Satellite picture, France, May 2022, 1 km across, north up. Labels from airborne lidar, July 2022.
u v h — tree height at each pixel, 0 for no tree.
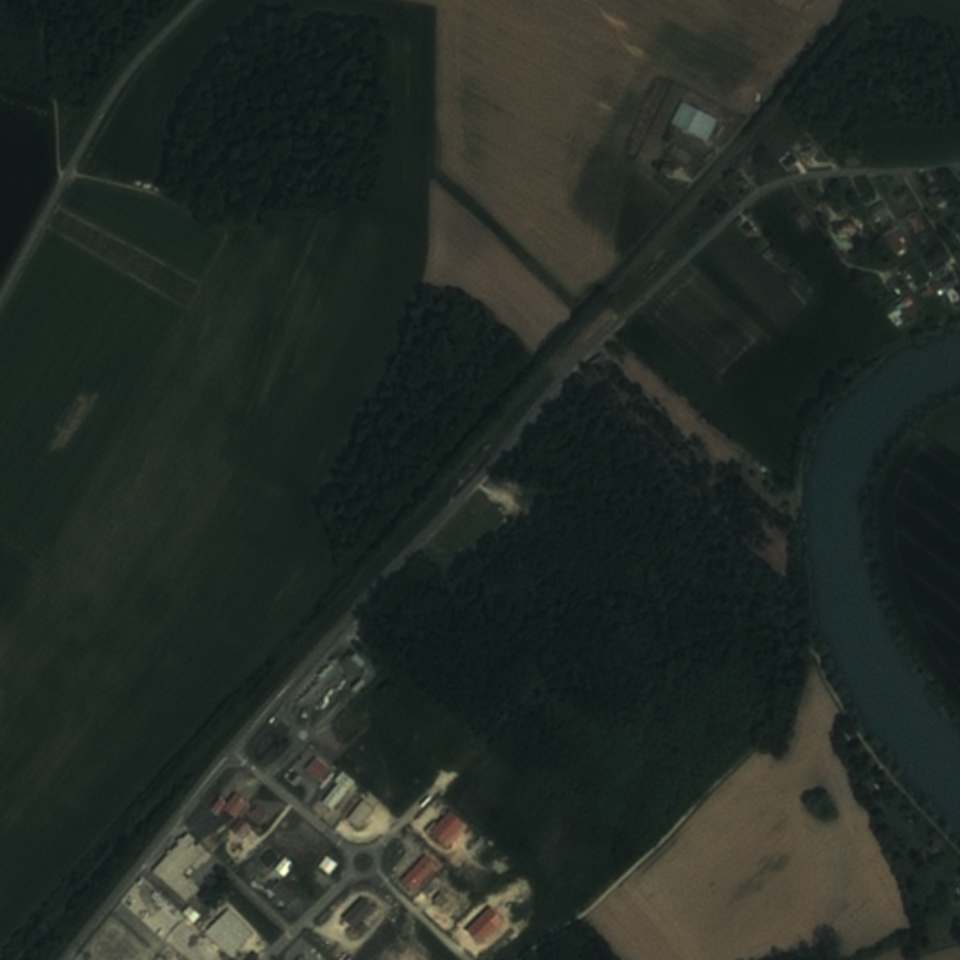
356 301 0
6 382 0
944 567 0
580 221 0
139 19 27
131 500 0
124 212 0
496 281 0
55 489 0
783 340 0
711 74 0
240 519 0
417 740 0
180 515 0
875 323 0
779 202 0
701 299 0
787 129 0
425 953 0
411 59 0
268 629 0
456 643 24
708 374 0
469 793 0
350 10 0
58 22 23
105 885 20
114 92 0
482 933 0
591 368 12
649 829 15
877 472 11
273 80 22
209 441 0
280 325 0
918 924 19
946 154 0
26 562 0
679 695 21
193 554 0
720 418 0
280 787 0
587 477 17
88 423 0
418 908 0
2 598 0
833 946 30
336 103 28
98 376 0
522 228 0
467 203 0
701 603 17
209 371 0
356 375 0
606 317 0
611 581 25
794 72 10
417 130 0
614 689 20
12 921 0
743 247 0
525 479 12
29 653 0
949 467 0
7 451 0
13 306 0
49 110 0
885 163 0
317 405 0
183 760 18
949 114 17
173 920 0
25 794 0
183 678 0
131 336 0
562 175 0
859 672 0
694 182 0
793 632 22
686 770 21
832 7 0
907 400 0
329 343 0
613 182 0
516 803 0
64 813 0
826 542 0
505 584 22
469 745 0
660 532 22
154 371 0
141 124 0
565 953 19
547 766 14
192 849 0
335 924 0
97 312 0
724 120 0
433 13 0
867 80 29
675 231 0
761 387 0
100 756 0
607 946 21
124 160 0
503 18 0
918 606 0
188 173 28
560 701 17
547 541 19
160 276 0
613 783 17
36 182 0
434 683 21
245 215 21
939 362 0
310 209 18
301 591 0
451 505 0
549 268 0
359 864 0
